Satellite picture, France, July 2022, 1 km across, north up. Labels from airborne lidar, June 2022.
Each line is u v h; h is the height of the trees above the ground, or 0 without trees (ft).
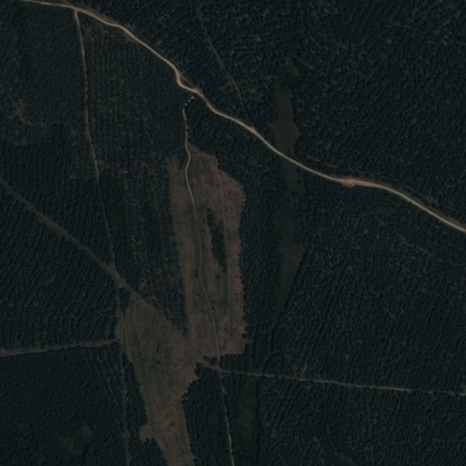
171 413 0
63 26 28
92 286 42
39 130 32
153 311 0
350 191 58
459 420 56
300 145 68
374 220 41
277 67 69
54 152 60
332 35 51
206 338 0
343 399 63
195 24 68
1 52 31
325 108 54
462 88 64
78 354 56
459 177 54
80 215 67
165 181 32
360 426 52
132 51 23
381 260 65
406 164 30
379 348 47
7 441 40
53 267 40
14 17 36
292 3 39
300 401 59
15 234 53
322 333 55
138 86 31
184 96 32
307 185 68
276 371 47
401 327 45
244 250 33
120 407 35
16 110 32
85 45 33
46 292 52
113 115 31
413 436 62
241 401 35
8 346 52
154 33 56
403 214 44
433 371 36
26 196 52
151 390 0
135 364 36
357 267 30
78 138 35
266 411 34
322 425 68
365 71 58
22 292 56
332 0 38
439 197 23
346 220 42
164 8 60
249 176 45
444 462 35
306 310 56
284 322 36
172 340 0
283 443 39
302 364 35
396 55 55
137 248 23
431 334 59
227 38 52
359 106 40
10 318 55
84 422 35
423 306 56
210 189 0
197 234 0
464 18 55
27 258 53
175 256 29
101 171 28
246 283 53
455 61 35
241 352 0
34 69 28
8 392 54
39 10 21
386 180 60
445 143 46
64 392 56
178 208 0
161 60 20
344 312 31
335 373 67
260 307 55
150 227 33
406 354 59
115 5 59
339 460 50
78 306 58
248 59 50
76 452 0
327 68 58
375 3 45
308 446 55
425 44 64
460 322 58
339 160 62
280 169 70
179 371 0
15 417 51
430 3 54
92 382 43
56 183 47
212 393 59
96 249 62
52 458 57
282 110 0
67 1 0
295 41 23
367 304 33
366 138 61
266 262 43
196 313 0
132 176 36
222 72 36
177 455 0
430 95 56
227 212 0
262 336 60
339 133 23
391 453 55
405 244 27
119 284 0
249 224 31
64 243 48
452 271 55
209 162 0
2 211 54
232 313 0
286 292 0
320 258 28
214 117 65
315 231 54
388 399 53
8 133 39
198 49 60
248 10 45
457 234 38
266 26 60
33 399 51
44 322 43
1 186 57
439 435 29
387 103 49
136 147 41
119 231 45
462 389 50
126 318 37
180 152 36
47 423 67
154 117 25
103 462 61
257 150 31
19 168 60
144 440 31
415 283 47
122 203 31
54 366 51
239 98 28
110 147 33
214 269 0
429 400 56
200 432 60
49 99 34
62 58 29
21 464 52
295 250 0
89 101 33
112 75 30
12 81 31
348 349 56
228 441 20
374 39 51
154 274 34
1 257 60
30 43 23
